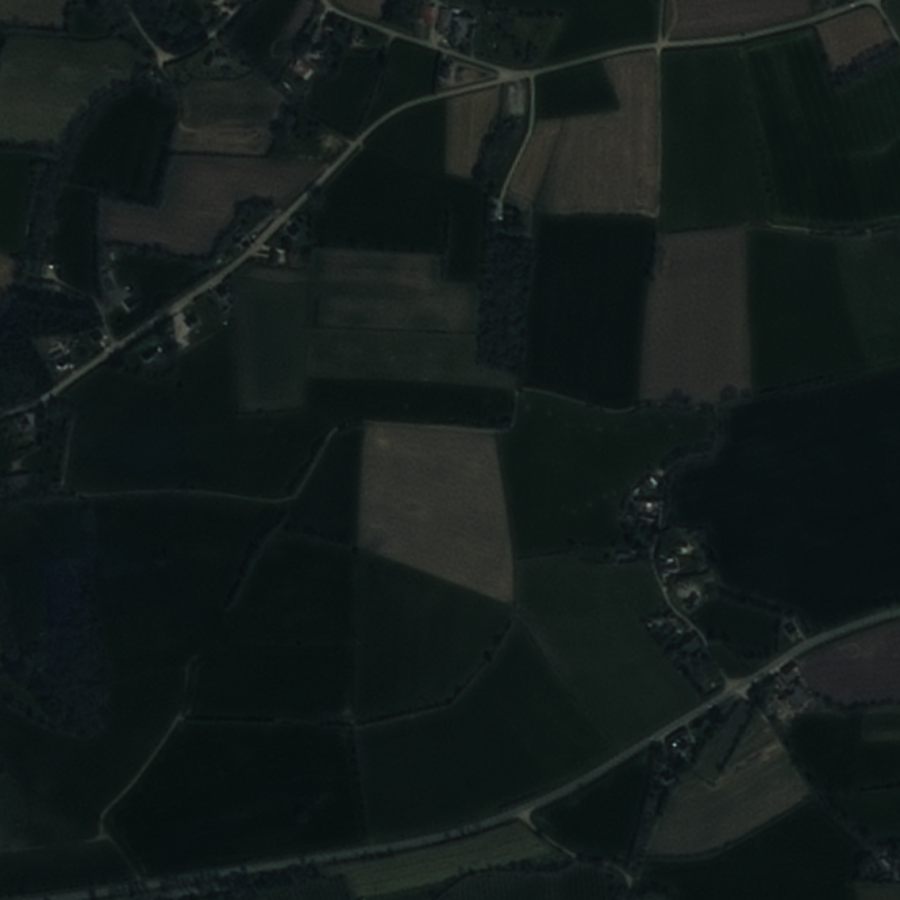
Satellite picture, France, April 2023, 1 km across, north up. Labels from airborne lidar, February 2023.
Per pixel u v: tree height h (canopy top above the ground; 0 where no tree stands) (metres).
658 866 0
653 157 0
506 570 0
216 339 0
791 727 0
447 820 0
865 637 0
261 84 0
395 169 0
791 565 0
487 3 11
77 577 17
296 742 0
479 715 0
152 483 0
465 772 0
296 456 0
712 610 0
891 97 0
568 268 0
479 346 6
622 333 0
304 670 0
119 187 0
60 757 0
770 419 0
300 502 0
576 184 0
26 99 0
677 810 0
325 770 0
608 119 0
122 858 0
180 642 0
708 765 0
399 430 0
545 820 0
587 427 0
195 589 0
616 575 0
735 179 0
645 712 0
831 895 0
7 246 0
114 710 0
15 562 0
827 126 0
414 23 7
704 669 10
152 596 0
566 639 0
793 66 0
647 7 0
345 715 0
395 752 0
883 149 0
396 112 0
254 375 0
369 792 0
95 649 13
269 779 0
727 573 0
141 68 11
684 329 0
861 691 0
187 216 0
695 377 0
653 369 0
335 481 0
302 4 0
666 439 0
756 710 12
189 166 0
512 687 0
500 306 11
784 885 0
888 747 0
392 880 0
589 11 0
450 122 0
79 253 0
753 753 0
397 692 0
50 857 0
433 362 0
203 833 0
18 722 0
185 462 0
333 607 0
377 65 10
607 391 0
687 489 0
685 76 0
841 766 0
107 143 0
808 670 0
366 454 0
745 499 0
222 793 0
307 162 0
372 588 0
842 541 0
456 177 0
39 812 0
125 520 0
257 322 0
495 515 0
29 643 0
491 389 0
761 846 0
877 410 0
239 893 25
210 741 0
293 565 0
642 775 0
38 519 0
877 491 0
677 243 0
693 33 0
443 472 0
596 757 0
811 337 0
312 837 0
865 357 0
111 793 0
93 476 0
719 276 0
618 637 0
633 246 0
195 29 9
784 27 0
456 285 0
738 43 0
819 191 0
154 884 0
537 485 0
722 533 0
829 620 0
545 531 0
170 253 6
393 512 0
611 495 0
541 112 0
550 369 0
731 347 0
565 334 0
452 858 0
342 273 0
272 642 0
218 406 0
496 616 0
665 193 0
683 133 0
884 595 0
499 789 0
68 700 9
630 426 0
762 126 0
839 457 0
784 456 0
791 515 0
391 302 0
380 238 0
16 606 0
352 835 0
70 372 0
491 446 0
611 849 0
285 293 0
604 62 0
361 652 0
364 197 0
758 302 0
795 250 0
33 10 0
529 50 7
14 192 0
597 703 0
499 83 0
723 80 0
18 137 0
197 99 0
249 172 0
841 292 0
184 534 0
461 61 0
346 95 0
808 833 0
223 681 0
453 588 0
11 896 9
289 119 14
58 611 22
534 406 0
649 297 0
